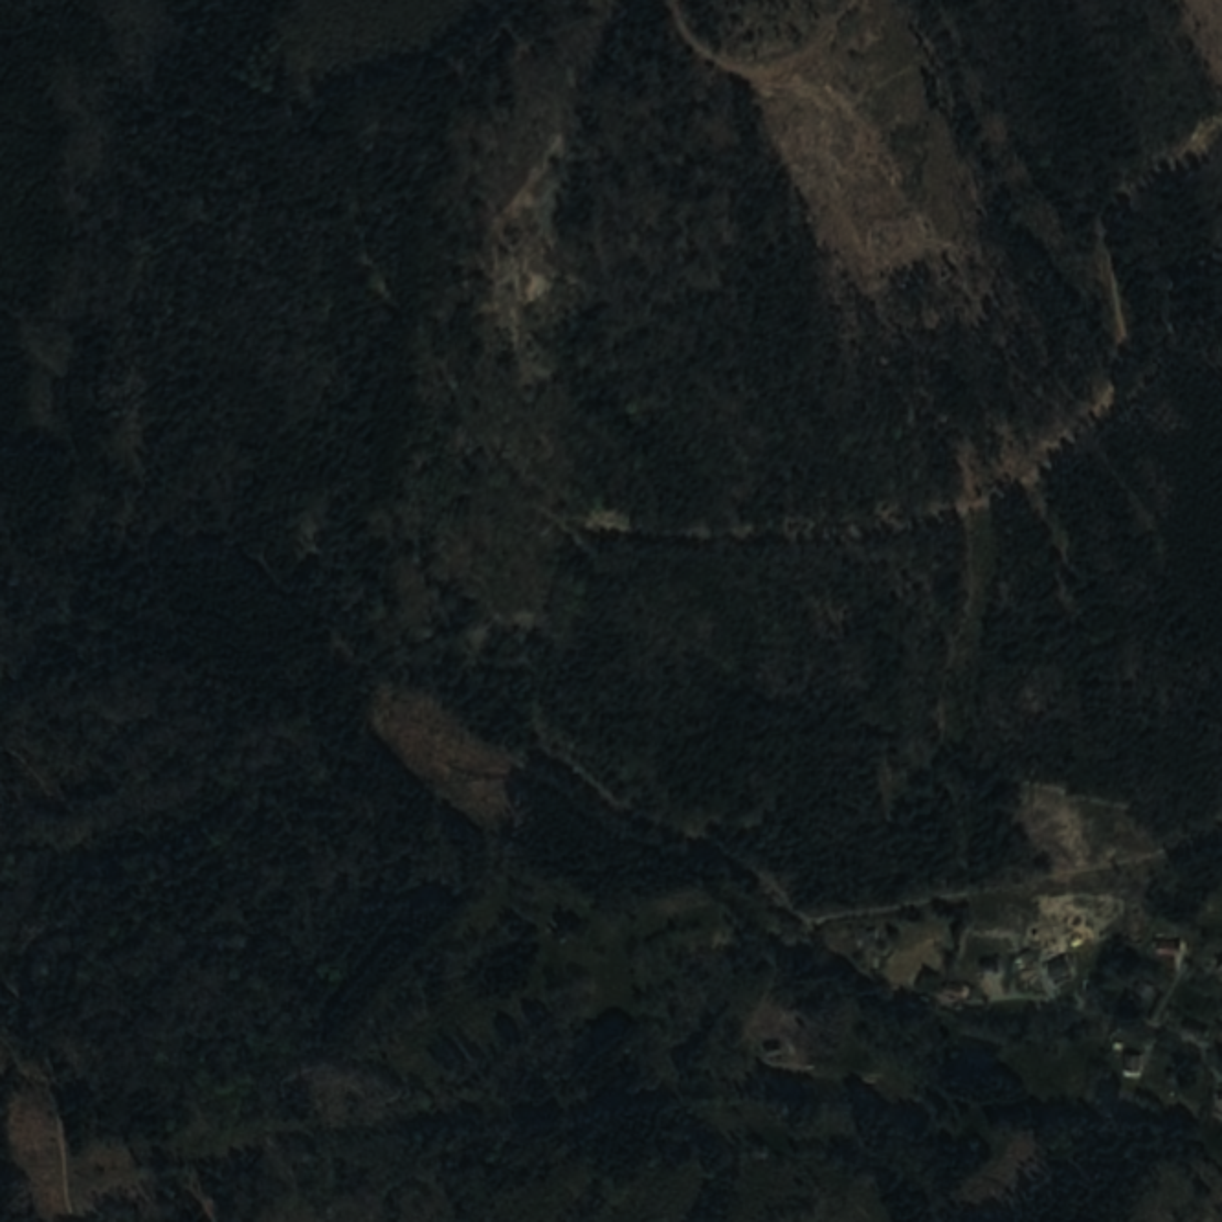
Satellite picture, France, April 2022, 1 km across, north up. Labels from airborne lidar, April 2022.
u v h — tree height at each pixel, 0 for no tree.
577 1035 23
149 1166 26
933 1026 23
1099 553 25
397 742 0
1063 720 26
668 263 16
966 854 18
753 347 19
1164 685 28
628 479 18
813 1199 8
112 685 32
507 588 11
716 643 20
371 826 28
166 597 27
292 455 26
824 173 0
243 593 31
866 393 27
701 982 22
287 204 30
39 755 12
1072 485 30
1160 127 27
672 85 13
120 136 25
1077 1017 22
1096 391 29
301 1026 23
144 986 33
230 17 30
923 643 22
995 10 31
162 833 9
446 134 15
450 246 14
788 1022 0
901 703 23
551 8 6
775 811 16
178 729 33
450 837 25
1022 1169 0
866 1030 11
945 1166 24
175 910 34
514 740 25
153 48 23
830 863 29
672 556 19
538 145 8
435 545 11
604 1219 22
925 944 0
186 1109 32
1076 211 33
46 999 31
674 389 15
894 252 0
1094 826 0
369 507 27
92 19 25
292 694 31
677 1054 9
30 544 24
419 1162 28
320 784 25
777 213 19
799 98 0
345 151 28
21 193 23
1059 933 0
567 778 23
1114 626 25
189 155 30
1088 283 13
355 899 26
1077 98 31
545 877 22
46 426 6
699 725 23
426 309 17
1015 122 32
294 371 28
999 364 28
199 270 30
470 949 17
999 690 24
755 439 20
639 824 24
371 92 27
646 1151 34
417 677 31
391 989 20
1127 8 33
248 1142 0
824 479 28
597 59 11
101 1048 31
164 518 26
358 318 20
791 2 13
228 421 32
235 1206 39
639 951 18
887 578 25
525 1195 6
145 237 26
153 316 26
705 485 23
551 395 16
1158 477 27
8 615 28
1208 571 30
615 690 21
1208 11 0
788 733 30
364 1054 23
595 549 16
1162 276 37
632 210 20
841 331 24
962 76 30
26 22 26
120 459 22
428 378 10
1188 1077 13
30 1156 0
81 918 28
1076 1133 27
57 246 22
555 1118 31
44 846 38
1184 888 9
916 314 7
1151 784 27
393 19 21
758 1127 0
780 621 20
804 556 22
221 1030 29
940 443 24
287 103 30
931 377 27
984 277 27
